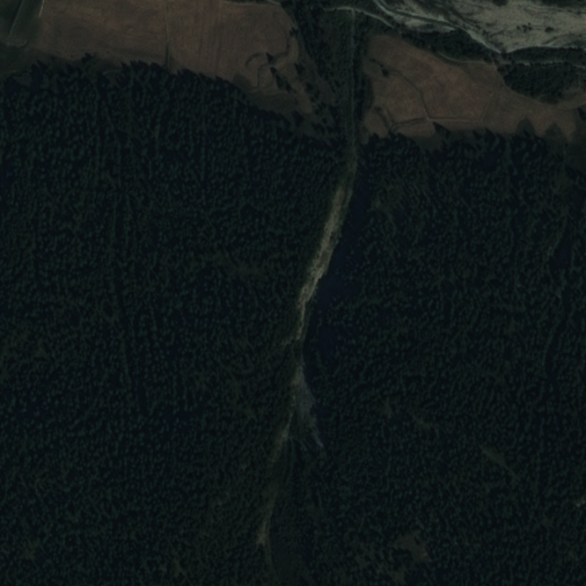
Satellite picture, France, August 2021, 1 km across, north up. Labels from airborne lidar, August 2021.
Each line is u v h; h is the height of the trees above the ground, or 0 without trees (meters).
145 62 0
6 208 22
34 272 19
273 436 20
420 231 15
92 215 6
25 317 21
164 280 17
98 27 0
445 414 20
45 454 12
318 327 11
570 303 18
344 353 20
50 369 12
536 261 21
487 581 10
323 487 9
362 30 6
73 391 13
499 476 12
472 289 21
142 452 26
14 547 17
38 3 0
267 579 15
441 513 14
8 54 0
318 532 16
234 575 23
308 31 18
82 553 19
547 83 8
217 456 21
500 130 0
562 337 19
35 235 23
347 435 16
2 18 0
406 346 17
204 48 0
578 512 19
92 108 20
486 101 0
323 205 17
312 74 0
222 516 21
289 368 15
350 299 12
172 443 26
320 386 15
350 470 10
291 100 0
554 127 0
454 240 27
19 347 9
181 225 16
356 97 7
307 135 0
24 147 20
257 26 0
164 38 0
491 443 18
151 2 0
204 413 21
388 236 29
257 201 22
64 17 0
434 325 26
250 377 12
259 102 0
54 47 0
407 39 10
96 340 24
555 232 20
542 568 15
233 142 24
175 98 27
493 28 0
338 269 17
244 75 0
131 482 16
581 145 0
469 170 22
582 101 0
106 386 22
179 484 24
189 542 14
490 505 9
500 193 30
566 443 18
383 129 0
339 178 16
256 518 18
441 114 0
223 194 24
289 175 28
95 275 23
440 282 28
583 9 0
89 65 11
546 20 0
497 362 22
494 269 16
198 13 0
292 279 15
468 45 6
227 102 28
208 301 24
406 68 0
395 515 27
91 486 16
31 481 14
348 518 6
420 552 0
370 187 15
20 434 16
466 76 0
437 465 7
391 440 23
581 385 18
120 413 20
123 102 18
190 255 28
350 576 17
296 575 6
